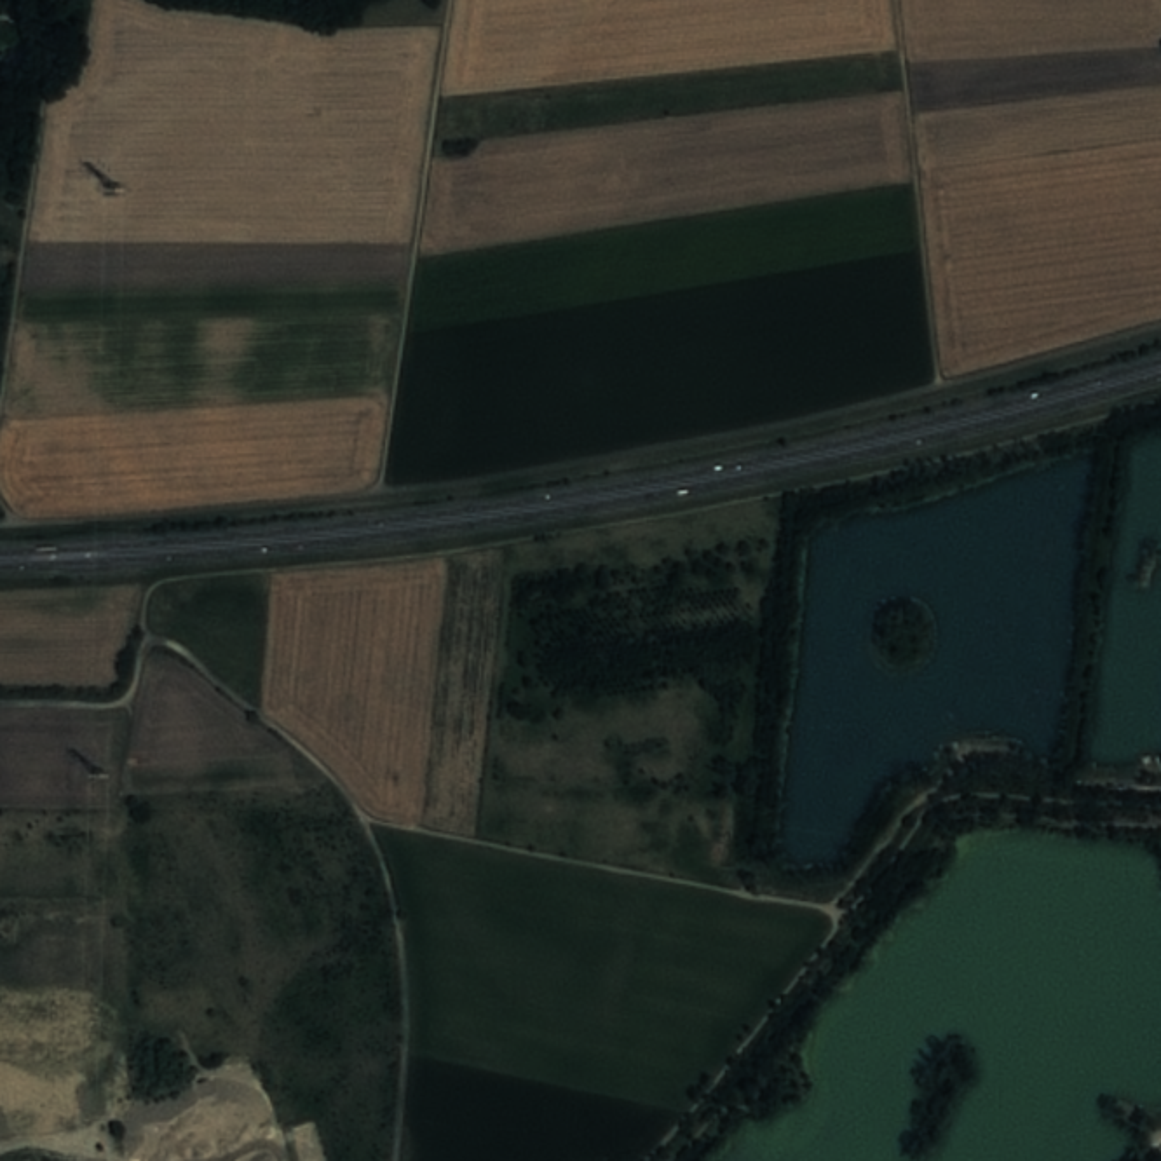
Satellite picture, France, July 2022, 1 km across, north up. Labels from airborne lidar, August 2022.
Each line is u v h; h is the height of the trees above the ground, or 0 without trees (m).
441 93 0
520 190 0
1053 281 0
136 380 0
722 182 0
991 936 0
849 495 14
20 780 0
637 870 0
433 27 0
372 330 0
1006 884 0
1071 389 0
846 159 0
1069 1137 0
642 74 0
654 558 0
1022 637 0
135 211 0
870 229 0
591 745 0
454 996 0
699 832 0
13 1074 0
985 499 0
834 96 0
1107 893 0
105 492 0
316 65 0
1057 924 0
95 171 0
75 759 0
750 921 0
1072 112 0
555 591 9
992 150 0
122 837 0
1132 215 0
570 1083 0
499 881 0
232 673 0
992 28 0
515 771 0
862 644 0
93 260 0
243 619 0
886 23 0
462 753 0
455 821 0
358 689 0
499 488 0
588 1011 0
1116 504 14
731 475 0
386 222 0
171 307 0
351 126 0
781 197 0
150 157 0
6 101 24
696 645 11
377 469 0
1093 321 0
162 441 0
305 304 0
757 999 0
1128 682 0
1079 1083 0
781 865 24
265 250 0
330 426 0
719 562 9
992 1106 0
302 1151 0
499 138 0
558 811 0
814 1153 0
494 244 0
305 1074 0
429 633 0
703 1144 9
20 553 0
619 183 0
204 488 0
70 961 0
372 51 0
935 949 0
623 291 0
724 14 0
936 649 0
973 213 0
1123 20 0
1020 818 16
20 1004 0
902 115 0
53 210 0
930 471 20
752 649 10
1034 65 0
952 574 0
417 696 0
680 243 0
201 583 0
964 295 0
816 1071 0
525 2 0
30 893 0
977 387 0
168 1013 0
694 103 0
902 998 0
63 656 0
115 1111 0
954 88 0
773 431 0
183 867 0
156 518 0
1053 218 0
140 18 0
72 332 0
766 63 0
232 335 0
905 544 0
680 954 0
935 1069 6
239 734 0
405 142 0
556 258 0
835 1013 0
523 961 0
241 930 0
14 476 0
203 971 0
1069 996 0
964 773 27
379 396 0
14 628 0
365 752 0
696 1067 0
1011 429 0
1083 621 7
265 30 0
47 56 20
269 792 0
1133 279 0
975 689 0
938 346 0
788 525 13
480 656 0
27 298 0
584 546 0
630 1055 0
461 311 0
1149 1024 0
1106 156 0
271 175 0
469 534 0
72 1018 0
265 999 0
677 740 0
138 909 0
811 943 0
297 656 0
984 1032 0
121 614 0
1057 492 0
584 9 0
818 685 0
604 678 8
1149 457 0
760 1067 22
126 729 0
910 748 0
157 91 0
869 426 0
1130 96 0
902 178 0
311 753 0
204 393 0
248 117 0
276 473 0
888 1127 0
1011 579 0
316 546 0
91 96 0
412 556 0
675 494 0
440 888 0
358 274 0
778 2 0
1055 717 0
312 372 0
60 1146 0
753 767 10
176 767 0
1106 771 0
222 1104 0
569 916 0
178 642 0
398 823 0
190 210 0
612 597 8
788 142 0
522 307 0
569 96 0
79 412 0
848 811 0
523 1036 0
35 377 0
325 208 0
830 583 0
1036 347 0
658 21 0
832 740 0
